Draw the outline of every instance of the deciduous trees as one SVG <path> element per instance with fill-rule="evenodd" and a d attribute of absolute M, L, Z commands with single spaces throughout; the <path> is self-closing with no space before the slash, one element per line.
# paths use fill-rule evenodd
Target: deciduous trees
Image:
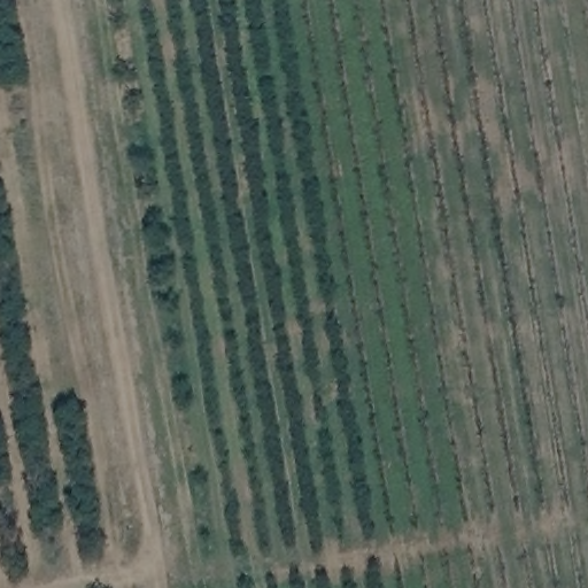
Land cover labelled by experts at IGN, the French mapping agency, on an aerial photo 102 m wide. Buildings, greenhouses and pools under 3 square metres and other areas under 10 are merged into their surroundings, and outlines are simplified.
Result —
<path fill-rule="evenodd" d="M 384 588 L 381 565 L 368 563 L 363 588 Z"/>
<path fill-rule="evenodd" d="M 347 436 L 347 462 L 351 473 L 354 508 L 363 528 L 363 537 L 384 544 L 393 535 L 404 535 L 407 531 L 418 528 L 427 531 L 430 540 L 439 540 L 439 531 L 462 531 L 462 524 L 469 521 L 462 498 L 462 475 L 455 455 L 455 441 L 446 436 L 446 425 L 450 427 L 459 423 L 464 418 L 464 409 L 459 402 L 448 397 L 446 384 L 439 384 L 436 368 L 439 345 L 446 345 L 450 338 L 448 312 L 446 308 L 432 303 L 430 287 L 420 273 L 420 262 L 425 262 L 425 257 L 436 257 L 439 250 L 432 232 L 423 232 L 416 227 L 416 214 L 409 204 L 409 191 L 413 191 L 411 124 L 402 117 L 404 106 L 400 103 L 400 92 L 395 83 L 395 57 L 390 44 L 384 41 L 379 0 L 246 0 L 250 48 L 257 67 L 260 96 L 266 115 L 266 133 L 271 149 L 271 156 L 262 161 L 257 119 L 253 117 L 246 69 L 241 62 L 234 0 L 221 0 L 218 25 L 225 34 L 227 71 L 232 78 L 232 94 L 237 101 L 237 124 L 241 129 L 241 152 L 246 156 L 246 177 L 253 204 L 253 227 L 278 347 L 276 365 L 266 370 L 264 349 L 260 340 L 260 315 L 253 273 L 248 264 L 243 218 L 237 207 L 232 142 L 227 136 L 223 113 L 207 0 L 191 0 L 198 30 L 198 48 L 202 60 L 200 74 L 207 94 L 207 110 L 214 124 L 214 147 L 223 184 L 230 246 L 239 276 L 239 294 L 246 308 L 248 338 L 239 338 L 234 331 L 232 308 L 227 299 L 227 278 L 218 239 L 218 221 L 214 209 L 211 181 L 207 175 L 200 115 L 195 103 L 195 90 L 191 83 L 191 62 L 186 51 L 186 32 L 179 0 L 165 0 L 168 28 L 175 41 L 177 85 L 184 101 L 191 161 L 200 195 L 200 209 L 204 218 L 209 260 L 214 266 L 214 289 L 223 319 L 223 338 L 230 363 L 230 386 L 239 409 L 239 434 L 243 443 L 243 459 L 253 494 L 253 524 L 260 551 L 266 554 L 269 547 L 280 549 L 283 544 L 294 547 L 294 526 L 303 519 L 308 524 L 310 549 L 315 554 L 324 549 L 326 540 L 340 542 L 345 537 L 340 480 L 333 459 L 333 436 L 328 430 L 324 384 L 319 379 L 312 315 L 308 305 L 303 260 L 296 234 L 296 225 L 303 221 L 308 221 L 308 234 L 315 248 L 317 287 L 326 315 L 324 331 L 328 335 L 331 368 L 338 381 L 335 402 Z M 269 225 L 278 221 L 283 227 L 287 260 L 292 269 L 296 322 L 301 326 L 303 340 L 303 365 L 312 384 L 312 402 L 319 420 L 317 448 L 308 448 L 305 443 L 303 400 L 294 379 L 289 335 L 285 328 L 280 266 L 276 262 L 273 241 L 269 232 Z"/>
<path fill-rule="evenodd" d="M 158 188 L 154 152 L 147 145 L 131 145 L 129 158 L 136 168 L 138 198 L 152 195 Z"/>
<path fill-rule="evenodd" d="M 119 57 L 113 64 L 113 78 L 117 83 L 133 80 L 138 76 L 136 60 Z"/>
<path fill-rule="evenodd" d="M 0 87 L 7 90 L 11 85 L 28 85 L 28 57 L 23 30 L 18 25 L 16 14 L 16 0 L 0 0 Z"/>
<path fill-rule="evenodd" d="M 41 544 L 55 544 L 60 540 L 62 528 L 62 510 L 55 494 L 57 478 L 51 469 L 48 457 L 41 384 L 30 358 L 30 326 L 25 324 L 25 296 L 21 289 L 21 269 L 14 243 L 11 204 L 7 200 L 5 181 L 0 177 L 0 345 L 11 393 L 11 420 L 16 430 L 18 450 L 23 457 L 23 485 L 30 503 L 28 517 L 32 533 Z"/>
<path fill-rule="evenodd" d="M 69 487 L 74 492 L 67 496 L 67 501 L 76 526 L 80 560 L 94 563 L 103 558 L 106 533 L 101 528 L 99 492 L 94 485 L 92 446 L 87 439 L 87 413 L 85 404 L 78 407 L 67 402 L 64 407 L 53 411 L 53 416 L 57 425 L 60 450 L 67 464 Z"/>
<path fill-rule="evenodd" d="M 287 583 L 283 586 L 283 588 L 305 588 L 305 586 L 303 586 L 303 577 L 301 577 L 301 570 L 299 570 L 299 565 L 296 565 L 296 563 L 292 563 L 292 565 L 289 565 L 289 579 L 287 579 Z"/>
<path fill-rule="evenodd" d="M 21 528 L 16 524 L 16 508 L 7 508 L 5 503 L 0 503 L 0 565 L 5 567 L 7 577 L 23 579 L 28 574 L 28 554 L 21 540 Z"/>
<path fill-rule="evenodd" d="M 223 432 L 223 416 L 214 372 L 211 335 L 204 317 L 198 262 L 193 255 L 188 195 L 184 188 L 175 138 L 175 110 L 165 87 L 163 51 L 152 0 L 140 0 L 140 21 L 147 39 L 147 62 L 154 83 L 154 96 L 161 119 L 161 145 L 165 154 L 165 172 L 172 188 L 175 207 L 172 216 L 163 214 L 161 207 L 149 207 L 142 216 L 142 232 L 149 255 L 147 276 L 156 303 L 177 305 L 179 294 L 175 289 L 172 278 L 175 255 L 168 246 L 168 239 L 177 237 L 177 241 L 181 243 L 184 276 L 191 289 L 191 312 L 202 368 L 204 407 L 218 455 L 232 556 L 246 551 L 239 528 L 239 496 L 232 485 L 230 450 Z"/>
<path fill-rule="evenodd" d="M 0 482 L 7 482 L 11 478 L 11 466 L 7 455 L 5 425 L 0 416 Z"/>
<path fill-rule="evenodd" d="M 177 372 L 172 377 L 172 397 L 177 409 L 181 411 L 193 402 L 193 388 L 186 372 Z"/>

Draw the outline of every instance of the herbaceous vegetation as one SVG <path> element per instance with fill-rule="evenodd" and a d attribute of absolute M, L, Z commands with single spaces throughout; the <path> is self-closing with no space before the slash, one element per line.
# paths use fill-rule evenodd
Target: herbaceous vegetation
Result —
<path fill-rule="evenodd" d="M 207 94 L 200 74 L 202 60 L 198 48 L 198 30 L 191 0 L 179 0 L 186 32 L 186 51 L 191 62 L 191 83 L 195 90 L 195 103 L 200 115 L 207 175 L 211 181 L 214 209 L 218 221 L 218 239 L 227 278 L 227 299 L 232 308 L 234 331 L 239 338 L 248 338 L 246 308 L 239 294 L 239 276 L 230 246 L 223 184 L 214 147 L 214 124 L 207 110 Z"/>
<path fill-rule="evenodd" d="M 269 225 L 269 232 L 273 241 L 276 262 L 280 266 L 285 328 L 289 335 L 294 379 L 303 400 L 305 443 L 308 448 L 317 448 L 319 420 L 312 402 L 312 384 L 303 365 L 303 340 L 301 326 L 296 322 L 292 269 L 287 260 L 283 227 L 278 221 Z"/>
<path fill-rule="evenodd" d="M 384 588 L 494 588 L 489 574 L 475 577 L 471 572 L 473 554 L 494 563 L 494 544 L 501 540 L 498 515 L 492 512 L 489 521 L 485 524 L 475 519 L 469 521 L 462 524 L 462 531 L 439 531 L 439 540 L 430 540 L 427 531 L 418 528 L 407 531 L 404 535 L 393 535 L 384 544 L 363 537 L 363 528 L 354 508 L 351 473 L 347 462 L 347 436 L 335 402 L 338 381 L 331 368 L 328 335 L 324 331 L 326 315 L 317 287 L 315 248 L 308 234 L 308 221 L 303 221 L 296 225 L 296 234 L 303 260 L 308 305 L 312 315 L 319 379 L 324 384 L 328 430 L 333 436 L 333 459 L 340 480 L 345 537 L 340 542 L 326 540 L 324 549 L 315 554 L 310 549 L 308 524 L 303 519 L 294 526 L 294 547 L 283 544 L 280 549 L 269 547 L 266 554 L 260 551 L 253 524 L 253 494 L 243 459 L 243 443 L 239 434 L 239 409 L 230 386 L 230 363 L 223 338 L 223 319 L 214 289 L 214 266 L 209 260 L 204 218 L 200 209 L 200 195 L 191 161 L 184 101 L 177 85 L 175 41 L 168 28 L 165 0 L 152 0 L 163 51 L 165 87 L 175 110 L 175 138 L 184 188 L 188 195 L 193 255 L 198 262 L 204 317 L 211 335 L 214 372 L 223 416 L 223 432 L 230 450 L 232 485 L 239 496 L 239 528 L 246 551 L 232 556 L 218 455 L 204 407 L 202 368 L 191 312 L 191 289 L 184 276 L 181 243 L 177 241 L 177 237 L 168 239 L 168 246 L 175 255 L 172 278 L 175 289 L 179 294 L 177 305 L 156 303 L 147 276 L 149 255 L 142 232 L 142 216 L 149 207 L 161 207 L 163 214 L 172 216 L 175 207 L 172 188 L 165 172 L 165 154 L 161 145 L 161 119 L 154 96 L 154 83 L 147 62 L 147 39 L 140 21 L 140 0 L 16 0 L 16 14 L 18 25 L 23 30 L 28 57 L 28 85 L 11 85 L 7 90 L 0 87 L 0 177 L 5 181 L 7 200 L 11 204 L 14 243 L 21 269 L 21 289 L 25 296 L 25 324 L 30 326 L 30 358 L 41 384 L 48 457 L 51 469 L 57 478 L 55 494 L 62 510 L 62 528 L 60 540 L 55 544 L 41 544 L 32 533 L 28 517 L 30 503 L 23 485 L 23 457 L 18 450 L 16 430 L 11 420 L 11 393 L 0 345 L 0 416 L 5 425 L 7 455 L 11 466 L 11 478 L 7 482 L 0 482 L 0 503 L 5 503 L 7 508 L 16 508 L 16 524 L 21 528 L 21 540 L 28 554 L 28 574 L 23 579 L 7 577 L 5 567 L 0 565 L 0 588 L 283 588 L 283 586 L 287 583 L 287 579 L 289 579 L 289 565 L 292 565 L 292 563 L 296 563 L 296 565 L 299 565 L 299 570 L 301 570 L 301 577 L 303 577 L 303 586 L 305 586 L 305 588 L 363 588 L 368 563 L 381 565 Z M 117 83 L 113 78 L 113 64 L 119 57 L 136 60 L 138 76 L 133 80 Z M 152 195 L 138 198 L 136 168 L 129 158 L 131 145 L 147 145 L 154 152 L 158 188 Z M 177 409 L 172 397 L 172 377 L 177 372 L 186 372 L 193 388 L 193 402 L 181 411 Z M 94 485 L 99 492 L 101 528 L 106 533 L 103 558 L 94 563 L 80 560 L 76 526 L 67 501 L 67 496 L 74 492 L 69 487 L 67 464 L 60 450 L 57 425 L 53 416 L 53 411 L 64 407 L 67 402 L 78 407 L 85 404 L 87 413 L 87 439 L 92 446 Z"/>
<path fill-rule="evenodd" d="M 246 0 L 234 0 L 241 62 L 246 69 L 253 117 L 257 119 L 262 161 L 271 156 L 271 149 L 266 133 L 266 115 L 260 96 L 257 67 L 250 48 Z"/>
<path fill-rule="evenodd" d="M 241 152 L 241 129 L 237 124 L 237 101 L 232 94 L 232 78 L 227 71 L 225 34 L 218 25 L 221 0 L 207 0 L 223 113 L 227 136 L 232 142 L 237 207 L 243 218 L 248 264 L 253 273 L 260 315 L 260 340 L 264 349 L 266 370 L 276 365 L 278 347 L 253 227 L 253 204 L 246 177 L 246 156 Z"/>

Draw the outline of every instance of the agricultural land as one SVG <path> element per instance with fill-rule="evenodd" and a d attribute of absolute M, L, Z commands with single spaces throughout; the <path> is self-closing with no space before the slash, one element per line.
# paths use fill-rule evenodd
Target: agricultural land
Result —
<path fill-rule="evenodd" d="M 446 308 L 448 312 L 450 338 L 446 345 L 439 345 L 436 368 L 439 384 L 446 384 L 448 397 L 459 402 L 464 409 L 464 418 L 459 423 L 450 427 L 446 425 L 446 436 L 455 441 L 455 455 L 462 475 L 462 498 L 469 521 L 475 519 L 485 524 L 489 521 L 492 512 L 498 515 L 501 540 L 494 544 L 494 563 L 473 554 L 471 572 L 475 577 L 489 574 L 494 588 L 588 588 L 588 0 L 379 0 L 384 41 L 390 44 L 395 57 L 395 83 L 400 92 L 400 103 L 404 106 L 402 117 L 411 124 L 413 191 L 409 191 L 409 204 L 416 214 L 416 227 L 423 232 L 432 232 L 439 250 L 436 257 L 425 257 L 425 262 L 420 262 L 420 273 L 430 287 L 432 303 Z"/>

